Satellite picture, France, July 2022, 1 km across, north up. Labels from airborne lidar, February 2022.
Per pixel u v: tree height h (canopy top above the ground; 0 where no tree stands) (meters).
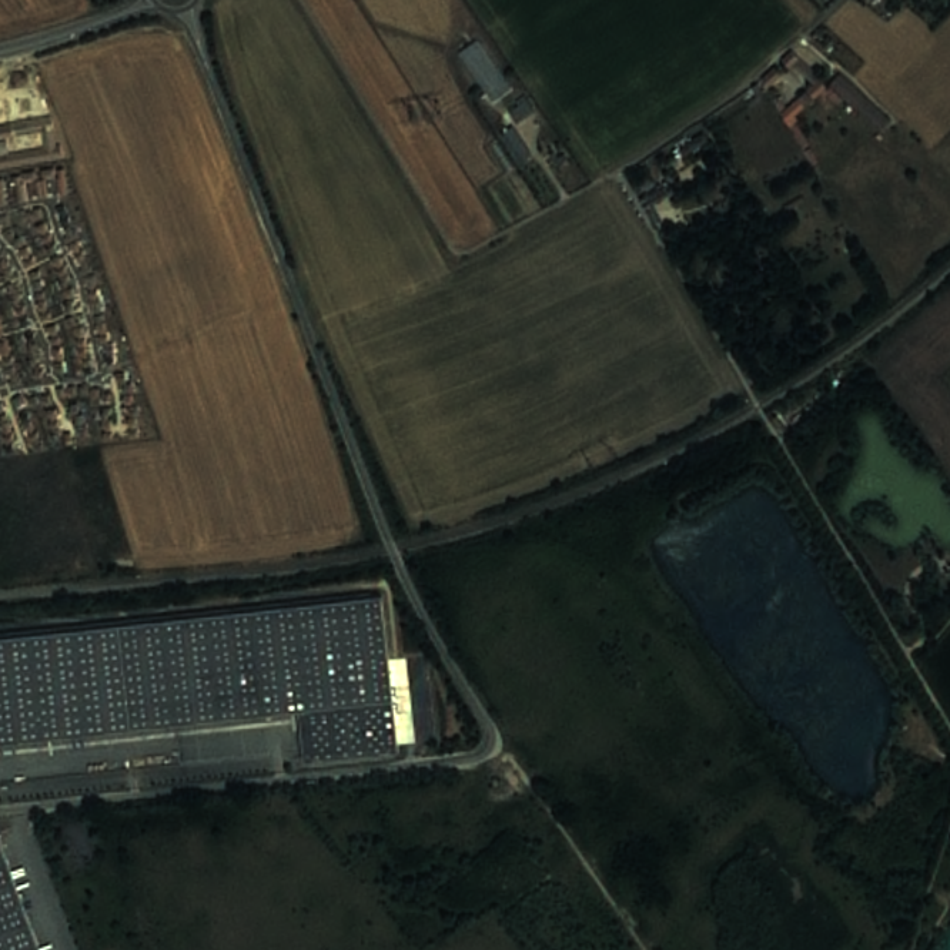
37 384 0
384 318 0
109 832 0
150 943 0
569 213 0
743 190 14
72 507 0
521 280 0
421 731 0
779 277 24
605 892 0
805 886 0
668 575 0
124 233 0
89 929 0
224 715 0
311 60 0
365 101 0
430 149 0
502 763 0
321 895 0
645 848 9
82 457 0
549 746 0
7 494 0
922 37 0
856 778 0
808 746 0
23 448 0
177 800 14
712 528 0
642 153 0
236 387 0
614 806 0
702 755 0
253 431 0
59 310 0
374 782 11
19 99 0
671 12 0
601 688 0
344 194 0
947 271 0
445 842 0
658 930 0
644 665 0
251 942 0
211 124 0
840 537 15
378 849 10
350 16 0
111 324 0
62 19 0
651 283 0
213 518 0
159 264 0
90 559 0
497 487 0
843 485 9
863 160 0
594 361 0
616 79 0
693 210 0
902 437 12
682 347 0
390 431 0
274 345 0
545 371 0
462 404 0
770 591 0
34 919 0
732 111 0
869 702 0
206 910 0
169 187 0
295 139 0
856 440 8
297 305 0
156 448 0
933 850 7
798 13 0
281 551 0
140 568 0
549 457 0
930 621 9
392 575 6
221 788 0
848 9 0
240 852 0
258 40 0
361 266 0
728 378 0
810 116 0
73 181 0
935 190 0
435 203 0
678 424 0
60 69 0
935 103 0
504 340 0
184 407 0
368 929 0
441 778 13
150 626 0
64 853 9
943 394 0
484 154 0
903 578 0
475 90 7
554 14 0
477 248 0
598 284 0
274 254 0
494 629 0
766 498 0
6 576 0
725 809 0
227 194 0
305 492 0
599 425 0
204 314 0
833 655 0
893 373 0
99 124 0
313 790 8
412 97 0
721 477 9
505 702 0
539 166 0
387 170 0
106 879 0
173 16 0
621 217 0
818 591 0
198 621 0
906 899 12
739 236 21
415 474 0
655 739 0
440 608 9
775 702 0
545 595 0
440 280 0
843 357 0
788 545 0
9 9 0
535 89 0
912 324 0
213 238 0
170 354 0
